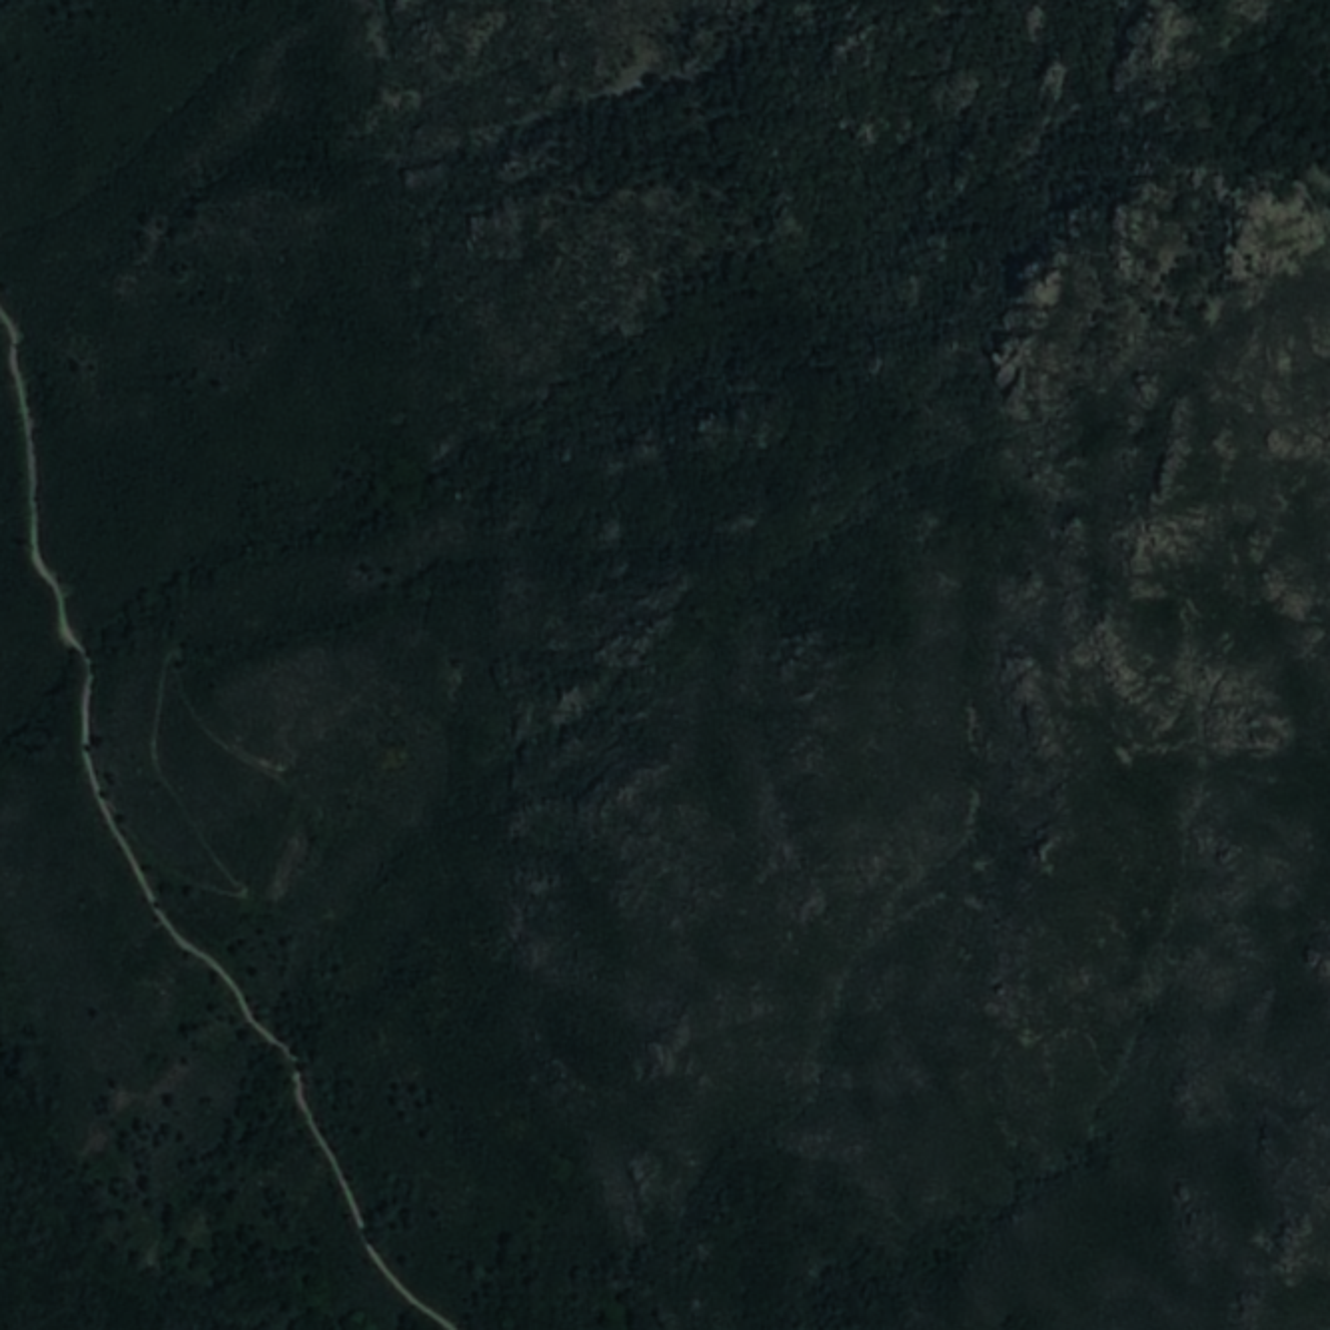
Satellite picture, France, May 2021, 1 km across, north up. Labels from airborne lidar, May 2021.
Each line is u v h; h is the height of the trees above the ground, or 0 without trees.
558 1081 6
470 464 15
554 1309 7
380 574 15
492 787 6
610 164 11
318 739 0
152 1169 15
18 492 6
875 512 6
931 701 0
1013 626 0
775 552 13
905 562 7
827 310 13
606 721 14
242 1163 14
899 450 8
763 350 14
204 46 7
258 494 9
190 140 8
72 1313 18
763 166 13
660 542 10
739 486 11
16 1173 17
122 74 7
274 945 8
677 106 11
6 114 6
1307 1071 0
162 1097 0
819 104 8
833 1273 15
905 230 7
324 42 7
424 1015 9
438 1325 11
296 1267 22
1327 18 12
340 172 10
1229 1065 0
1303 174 20
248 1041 17
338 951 10
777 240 7
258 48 6
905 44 12
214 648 12
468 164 10
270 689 0
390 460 8
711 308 13
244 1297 15
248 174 10
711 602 15
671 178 13
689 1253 7
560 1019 6
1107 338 9
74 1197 21
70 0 21
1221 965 0
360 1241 6
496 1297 14
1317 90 10
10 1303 13
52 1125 13
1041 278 7
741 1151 11
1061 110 9
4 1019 15
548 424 10
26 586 7
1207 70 14
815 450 14
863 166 14
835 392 15
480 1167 7
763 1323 9
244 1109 14
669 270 8
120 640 15
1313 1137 0
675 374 11
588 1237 6
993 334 8
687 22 11
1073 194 13
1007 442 7
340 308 6
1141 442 7
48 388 8
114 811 0
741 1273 8
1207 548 0
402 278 7
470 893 8
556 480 9
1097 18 11
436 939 7
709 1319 7
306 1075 16
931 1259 8
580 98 9
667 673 7
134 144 7
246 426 6
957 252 13
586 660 9
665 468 7
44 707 10
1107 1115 6
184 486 7
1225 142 13
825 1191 6
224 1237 12
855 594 7
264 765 0
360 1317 12
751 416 6
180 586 15
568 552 10
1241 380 0
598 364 9
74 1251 20
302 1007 16
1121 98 8
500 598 6
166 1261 11
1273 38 9
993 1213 11
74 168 7
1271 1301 0
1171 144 9
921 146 13
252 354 9
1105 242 10
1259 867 0
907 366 10
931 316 10
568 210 7
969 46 13
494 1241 5
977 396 6
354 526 9
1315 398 0
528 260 7
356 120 5
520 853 6
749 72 8
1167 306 10
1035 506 6
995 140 10
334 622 7
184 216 8
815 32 11
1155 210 10
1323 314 0
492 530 11
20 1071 25
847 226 12
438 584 13
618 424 12
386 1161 7
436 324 11
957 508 9
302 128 6
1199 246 13
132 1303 17
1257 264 6
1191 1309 0
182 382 10
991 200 13
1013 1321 12
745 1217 6
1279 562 0
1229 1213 0
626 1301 18
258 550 10
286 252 7
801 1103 6
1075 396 9
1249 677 0
